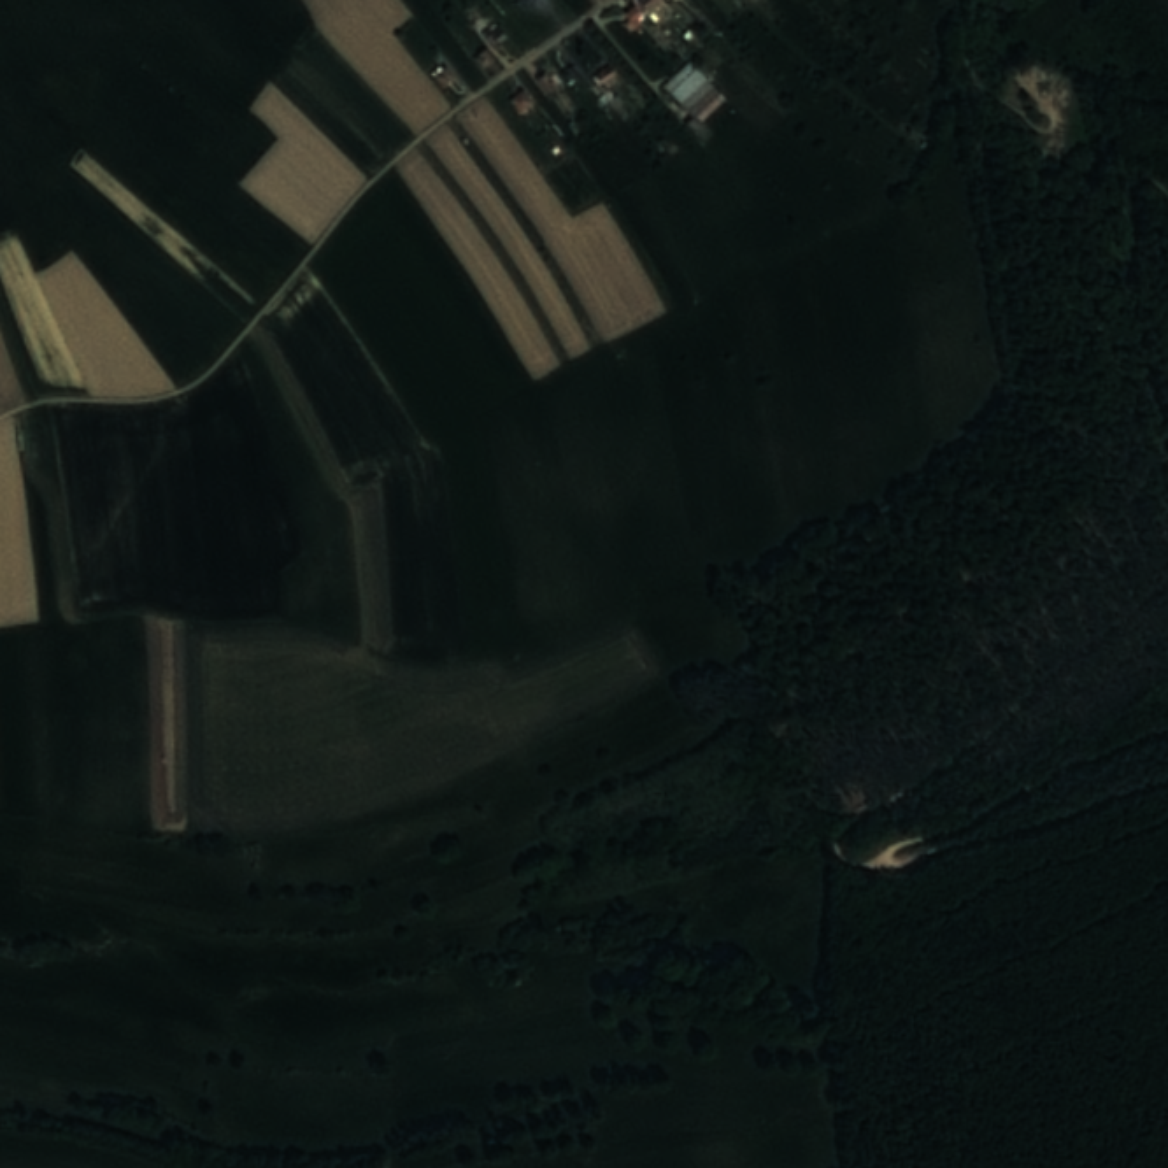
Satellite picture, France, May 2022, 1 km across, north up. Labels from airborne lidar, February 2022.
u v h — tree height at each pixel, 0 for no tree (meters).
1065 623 24
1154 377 28
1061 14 0
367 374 0
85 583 0
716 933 0
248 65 0
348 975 0
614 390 0
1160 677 26
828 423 0
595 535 0
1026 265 22
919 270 0
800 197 0
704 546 0
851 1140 13
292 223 0
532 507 0
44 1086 0
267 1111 0
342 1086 0
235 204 0
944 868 16
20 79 0
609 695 0
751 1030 20
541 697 0
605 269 0
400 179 0
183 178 0
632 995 23
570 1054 0
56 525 0
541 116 0
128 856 0
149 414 0
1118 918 9
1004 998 18
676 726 0
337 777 0
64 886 0
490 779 0
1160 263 31
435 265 0
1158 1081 16
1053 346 25
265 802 0
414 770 0
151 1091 0
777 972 0
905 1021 18
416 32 0
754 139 0
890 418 0
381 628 0
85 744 0
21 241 0
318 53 0
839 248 0
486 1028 0
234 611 0
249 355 0
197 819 0
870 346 0
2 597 0
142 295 0
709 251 0
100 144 0
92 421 0
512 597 0
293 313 0
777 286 0
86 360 0
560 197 0
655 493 0
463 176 0
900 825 24
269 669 0
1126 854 11
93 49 0
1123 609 22
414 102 0
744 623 10
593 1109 22
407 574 0
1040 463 27
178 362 0
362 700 0
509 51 0
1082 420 24
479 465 0
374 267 0
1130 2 11
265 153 0
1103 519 22
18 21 0
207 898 0
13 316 0
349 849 0
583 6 0
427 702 0
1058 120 0
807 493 0
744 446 0
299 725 0
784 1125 0
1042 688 24
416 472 0
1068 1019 18
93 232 0
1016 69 18
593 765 0
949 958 18
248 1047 0
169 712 0
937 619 24
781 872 0
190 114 0
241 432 0
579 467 0
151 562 0
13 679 0
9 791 0
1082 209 30
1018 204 22
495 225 0
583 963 0
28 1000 0
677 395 0
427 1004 0
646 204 0
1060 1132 17
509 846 0
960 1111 18
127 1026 0
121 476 0
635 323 0
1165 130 28
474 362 0
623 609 0
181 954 0
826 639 26
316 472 0
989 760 23
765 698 24
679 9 0
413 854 0
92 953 0
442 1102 0
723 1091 0
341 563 0
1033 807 19
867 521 26
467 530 0
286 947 0
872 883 18
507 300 0
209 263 0
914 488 18
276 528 0
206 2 0
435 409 0
